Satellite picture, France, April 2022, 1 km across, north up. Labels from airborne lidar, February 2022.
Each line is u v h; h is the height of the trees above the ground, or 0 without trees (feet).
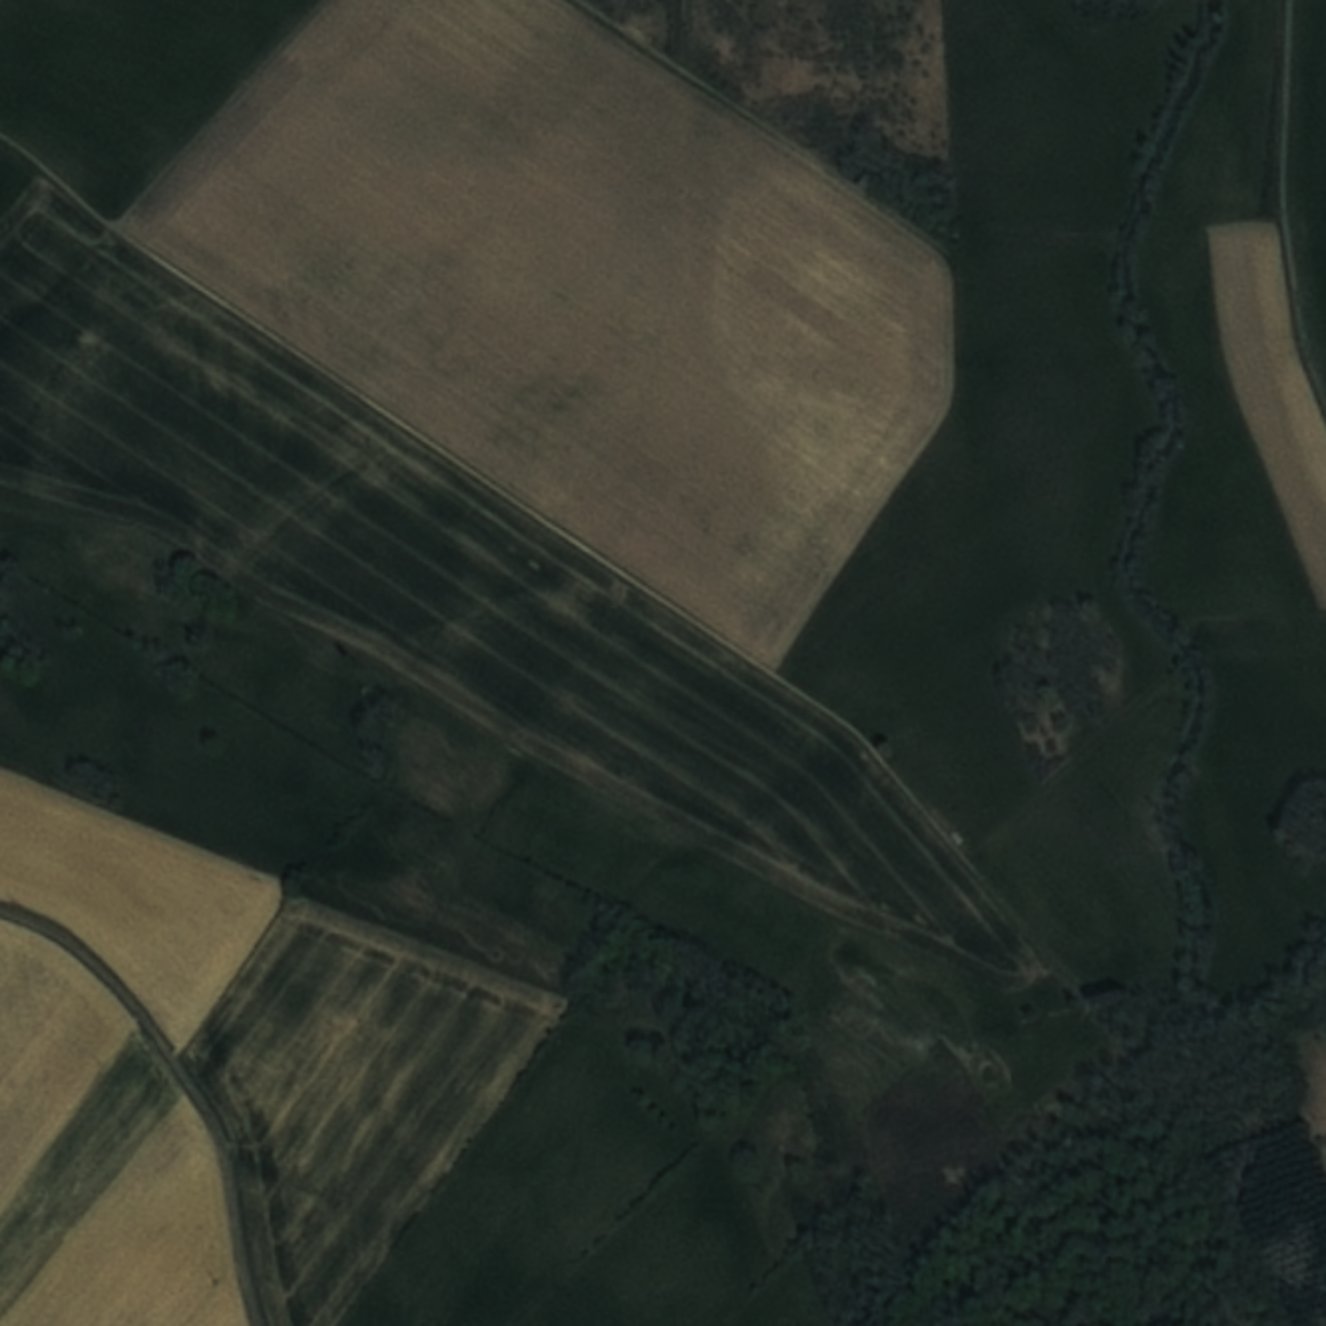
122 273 0
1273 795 0
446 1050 0
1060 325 0
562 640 0
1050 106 0
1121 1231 84
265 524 0
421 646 0
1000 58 0
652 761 0
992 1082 0
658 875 0
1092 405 0
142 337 0
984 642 0
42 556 0
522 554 0
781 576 0
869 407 0
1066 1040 0
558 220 0
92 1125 0
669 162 0
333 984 0
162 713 0
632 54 0
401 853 0
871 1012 0
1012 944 0
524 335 0
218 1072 0
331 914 0
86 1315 0
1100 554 0
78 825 0
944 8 0
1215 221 0
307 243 0
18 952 0
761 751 0
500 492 0
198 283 0
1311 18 0
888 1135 0
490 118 0
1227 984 0
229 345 0
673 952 56
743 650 0
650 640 0
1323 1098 0
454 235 0
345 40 0
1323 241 0
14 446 0
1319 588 0
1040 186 0
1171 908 0
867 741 0
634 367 0
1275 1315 34
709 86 0
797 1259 21
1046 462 0
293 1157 0
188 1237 0
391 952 0
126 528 0
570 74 0
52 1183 0
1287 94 0
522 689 0
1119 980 0
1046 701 45
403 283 0
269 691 0
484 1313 0
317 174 0
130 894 0
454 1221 0
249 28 0
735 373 0
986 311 0
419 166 0
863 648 0
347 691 0
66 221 0
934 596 0
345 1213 0
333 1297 0
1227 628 0
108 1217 0
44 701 0
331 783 0
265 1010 0
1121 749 0
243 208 0
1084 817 0
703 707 0
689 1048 74
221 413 0
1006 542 0
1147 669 0
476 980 0
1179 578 0
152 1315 0
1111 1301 84
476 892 0
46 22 0
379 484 0
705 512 0
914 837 0
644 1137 0
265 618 0
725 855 0
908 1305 86
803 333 0
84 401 0
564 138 0
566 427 0
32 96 0
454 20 0
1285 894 0
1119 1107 95
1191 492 0
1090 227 0
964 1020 0
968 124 0
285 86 0
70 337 0
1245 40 0
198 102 0
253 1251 0
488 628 0
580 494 0
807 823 0
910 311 0
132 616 0
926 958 0
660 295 0
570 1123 0
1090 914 0
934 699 0
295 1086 0
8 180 0
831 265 0
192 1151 0
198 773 0
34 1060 0
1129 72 0
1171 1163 70
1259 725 0
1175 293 0
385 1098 0
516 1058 0
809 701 0
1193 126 0
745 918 0
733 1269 0
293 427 0
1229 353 0
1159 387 39
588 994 58
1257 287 0
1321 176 0
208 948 0
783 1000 43
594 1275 0
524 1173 0
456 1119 0
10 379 0
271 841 0
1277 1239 54
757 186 0
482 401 0
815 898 0
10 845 0
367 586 0
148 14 0
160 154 0
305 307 0
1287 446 0
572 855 0
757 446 0
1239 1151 50
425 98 0
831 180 0
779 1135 0
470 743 0
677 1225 0
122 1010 0
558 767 0
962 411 0
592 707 0
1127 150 0
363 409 0
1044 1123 0
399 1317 0
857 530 0
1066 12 0
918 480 0
